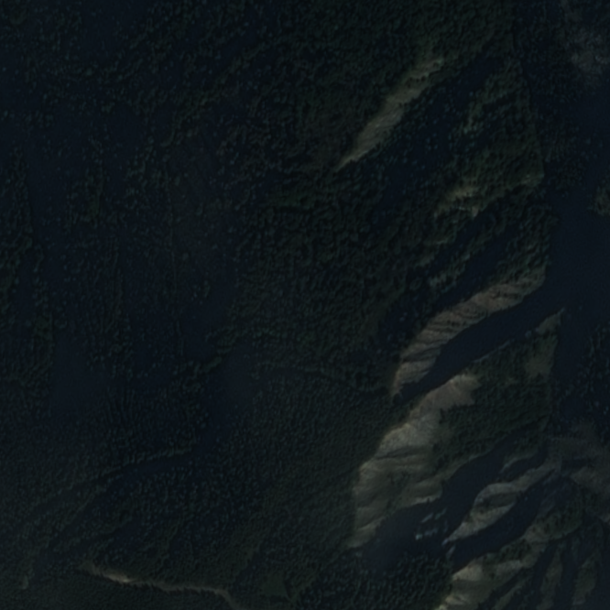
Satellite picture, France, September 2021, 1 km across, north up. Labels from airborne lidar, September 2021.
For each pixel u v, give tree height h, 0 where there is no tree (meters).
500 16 18
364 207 18
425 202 10
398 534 0
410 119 13
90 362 14
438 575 9
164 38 28
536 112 11
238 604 15
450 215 8
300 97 17
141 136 24
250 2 14
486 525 0
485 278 10
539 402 12
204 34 14
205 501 14
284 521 16
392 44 19
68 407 15
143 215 12
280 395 14
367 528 0
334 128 7
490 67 9
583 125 9
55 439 14
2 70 28
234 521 11
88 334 15
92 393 10
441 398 0
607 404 7
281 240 15
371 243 13
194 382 12
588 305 0
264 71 15
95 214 13
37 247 24
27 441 19
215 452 10
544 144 10
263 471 13
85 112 14
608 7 23
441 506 0
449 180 0
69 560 14
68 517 17
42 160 28
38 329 28
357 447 22
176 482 12
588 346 23
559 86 15
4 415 19
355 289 9
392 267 13
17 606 16
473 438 12
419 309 12
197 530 13
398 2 24
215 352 16
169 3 24
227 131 13
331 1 30
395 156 6
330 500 10
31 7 13
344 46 17
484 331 0
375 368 9
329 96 15
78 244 17
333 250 10
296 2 16
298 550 13
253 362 8
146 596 18
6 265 12
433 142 16
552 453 0
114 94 14
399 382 0
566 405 0
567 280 0
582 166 9
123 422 16
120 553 15
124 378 7
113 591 19
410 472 0
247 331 11
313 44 21
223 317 7
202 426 14
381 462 0
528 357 22
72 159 24
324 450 15
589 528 14
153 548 15
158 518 10
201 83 12
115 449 13
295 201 11
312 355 8
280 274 10
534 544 0
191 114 7
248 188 7
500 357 7
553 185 15
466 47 17
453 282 15
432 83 6
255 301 13
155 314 16
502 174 6
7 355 18
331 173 9
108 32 11
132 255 9
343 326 12
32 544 14
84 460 17
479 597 0
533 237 9
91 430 19
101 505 9
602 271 0
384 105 12
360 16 20
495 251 14
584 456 0
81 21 8
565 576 0
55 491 9
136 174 36
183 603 20
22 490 12
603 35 28
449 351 0
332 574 11
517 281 10
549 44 15
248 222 11
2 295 7
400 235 13
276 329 14
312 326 12
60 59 9
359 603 11
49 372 10
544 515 0
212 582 19
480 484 0
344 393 13
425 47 8
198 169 0
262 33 20
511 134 26
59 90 19
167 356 16
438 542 0
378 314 0
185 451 15
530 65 9
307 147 10
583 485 0
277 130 13
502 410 15
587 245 15
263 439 15
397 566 17
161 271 17
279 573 16
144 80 9
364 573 12
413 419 0
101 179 9
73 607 19
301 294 11
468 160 19
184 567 20
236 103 0
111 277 19
